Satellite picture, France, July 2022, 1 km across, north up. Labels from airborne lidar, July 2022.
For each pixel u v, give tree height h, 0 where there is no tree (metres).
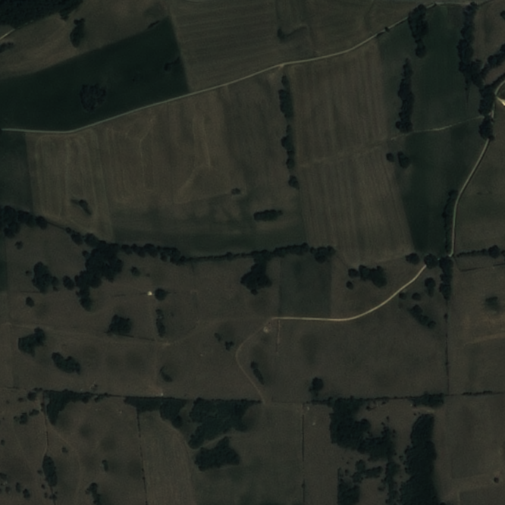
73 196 0
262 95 0
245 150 0
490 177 0
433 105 0
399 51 0
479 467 0
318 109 0
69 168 0
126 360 0
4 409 0
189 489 0
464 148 0
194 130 0
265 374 0
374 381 0
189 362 0
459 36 0
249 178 0
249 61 0
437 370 0
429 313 0
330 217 0
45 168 0
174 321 0
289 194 0
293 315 0
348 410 11
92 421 0
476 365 0
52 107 0
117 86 0
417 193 0
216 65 0
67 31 0
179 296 0
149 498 0
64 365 7
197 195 0
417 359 0
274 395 0
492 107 18
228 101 0
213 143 0
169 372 0
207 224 0
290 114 7
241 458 0
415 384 0
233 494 0
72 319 0
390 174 0
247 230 0
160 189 0
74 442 0
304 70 0
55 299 0
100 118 0
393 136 0
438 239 0
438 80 0
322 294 0
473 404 0
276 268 0
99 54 0
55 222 0
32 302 12
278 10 0
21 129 0
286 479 0
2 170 0
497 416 0
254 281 18
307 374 0
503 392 0
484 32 0
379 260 0
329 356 0
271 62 0
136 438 0
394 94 0
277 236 0
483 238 0
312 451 0
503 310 0
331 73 0
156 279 0
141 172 0
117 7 0
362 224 0
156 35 0
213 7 0
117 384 0
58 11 22
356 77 0
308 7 0
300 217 0
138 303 0
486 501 0
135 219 0
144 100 0
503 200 0
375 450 10
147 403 7
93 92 20
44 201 0
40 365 0
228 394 0
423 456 14
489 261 0
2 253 0
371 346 0
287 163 9
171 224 0
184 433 0
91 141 0
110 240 0
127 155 0
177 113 0
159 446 0
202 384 0
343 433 10
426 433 20
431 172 0
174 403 6
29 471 0
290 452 0
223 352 0
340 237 0
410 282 0
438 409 0
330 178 0
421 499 14
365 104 0
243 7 0
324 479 0
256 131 0
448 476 0
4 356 0
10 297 0
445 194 0
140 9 0
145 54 0
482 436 0
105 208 0
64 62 0
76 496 0
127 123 0
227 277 0
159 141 0
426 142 0
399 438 0
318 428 0
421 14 19
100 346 0
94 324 0
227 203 0
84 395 6
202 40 0
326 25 0
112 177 0
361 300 0
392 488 6
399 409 0
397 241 0
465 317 0
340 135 0
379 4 0
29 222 22
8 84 0
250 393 0
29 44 0
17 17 24
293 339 0
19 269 0
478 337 0
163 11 0
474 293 0
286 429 0
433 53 0
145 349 0
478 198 0
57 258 0
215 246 0
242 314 0
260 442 0
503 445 0
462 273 0
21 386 0
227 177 0
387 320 0
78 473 0
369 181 0
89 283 21
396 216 0
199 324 0
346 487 7
